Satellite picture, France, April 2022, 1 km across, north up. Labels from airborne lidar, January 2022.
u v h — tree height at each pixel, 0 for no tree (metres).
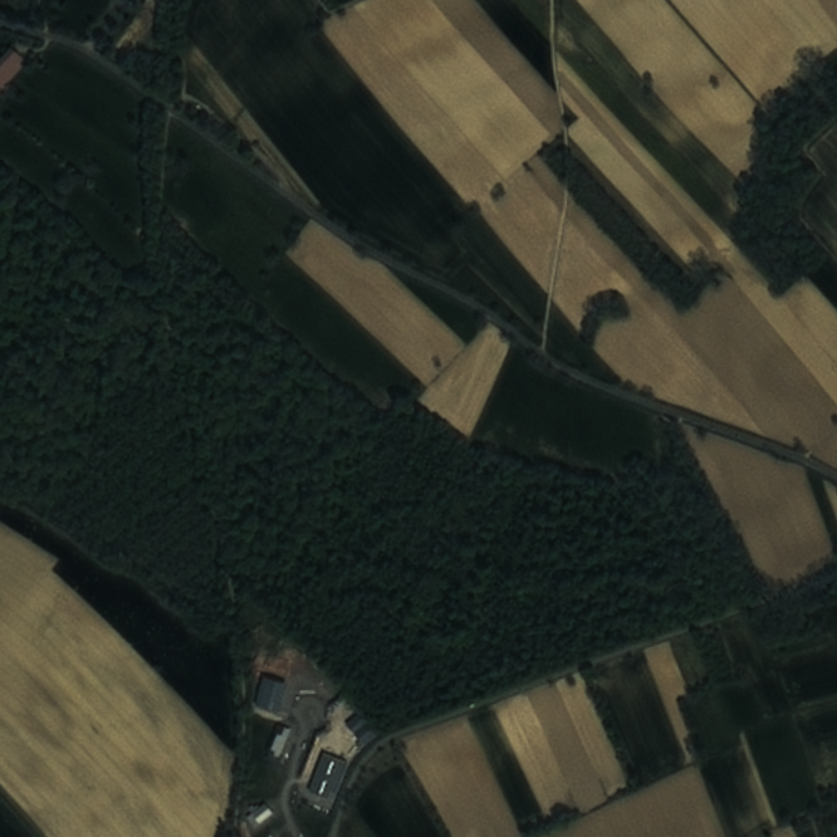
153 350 24
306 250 0
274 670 0
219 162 0
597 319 22
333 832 0
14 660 0
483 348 0
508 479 22
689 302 18
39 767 0
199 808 0
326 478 27
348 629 19
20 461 31
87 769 0
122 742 0
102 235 0
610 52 0
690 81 0
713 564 28
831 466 0
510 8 0
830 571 23
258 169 12
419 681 12
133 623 0
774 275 21
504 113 0
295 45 0
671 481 33
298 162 0
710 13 0
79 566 0
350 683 24
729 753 0
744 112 0
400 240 0
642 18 0
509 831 0
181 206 0
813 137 14
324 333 0
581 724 0
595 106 0
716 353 0
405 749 11
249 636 15
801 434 0
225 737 0
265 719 0
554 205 0
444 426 13
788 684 0
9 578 0
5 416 31
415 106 0
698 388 0
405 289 0
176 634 0
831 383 0
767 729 0
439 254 0
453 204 0
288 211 0
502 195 9
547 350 0
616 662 0
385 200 0
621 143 0
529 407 0
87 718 0
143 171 14
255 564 28
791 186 31
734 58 0
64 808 0
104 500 21
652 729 0
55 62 0
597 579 28
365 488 12
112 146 0
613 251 0
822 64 29
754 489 0
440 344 0
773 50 0
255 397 27
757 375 0
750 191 28
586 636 10
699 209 0
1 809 0
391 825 0
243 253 0
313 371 26
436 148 0
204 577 23
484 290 0
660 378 0
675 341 0
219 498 25
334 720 0
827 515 0
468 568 23
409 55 0
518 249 0
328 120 0
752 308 0
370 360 0
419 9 0
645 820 0
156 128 17
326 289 0
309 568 24
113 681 0
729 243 0
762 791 0
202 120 14
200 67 0
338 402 25
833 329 0
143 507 17
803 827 11
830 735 0
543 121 0
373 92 0
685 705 10
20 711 0
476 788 0
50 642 0
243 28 0
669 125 0
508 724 0
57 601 0
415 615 28
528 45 0
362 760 0
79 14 0
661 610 26
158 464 19
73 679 0
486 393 0
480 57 0
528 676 17
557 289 0
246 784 13
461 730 0
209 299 23
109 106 0
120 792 0
